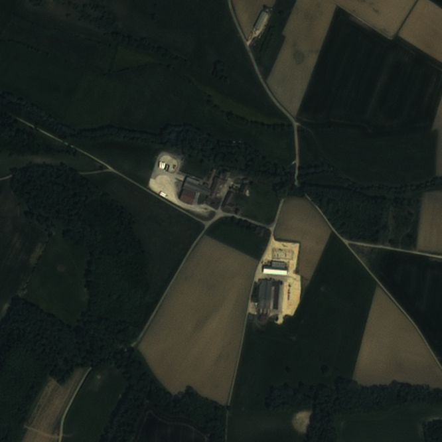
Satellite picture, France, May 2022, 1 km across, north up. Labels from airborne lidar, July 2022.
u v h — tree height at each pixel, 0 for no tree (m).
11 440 26
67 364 23
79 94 0
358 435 0
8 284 0
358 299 0
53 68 0
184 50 0
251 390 0
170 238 0
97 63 0
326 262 0
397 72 0
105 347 23
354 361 0
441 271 0
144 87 0
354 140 0
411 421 0
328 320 0
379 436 0
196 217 0
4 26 0
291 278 0
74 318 0
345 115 0
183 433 0
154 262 0
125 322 20
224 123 0
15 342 23
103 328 23
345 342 0
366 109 0
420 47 0
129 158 0
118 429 26
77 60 0
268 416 0
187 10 0
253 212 0
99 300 13
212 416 16
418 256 0
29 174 19
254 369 0
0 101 34
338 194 25
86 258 0
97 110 0
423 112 0
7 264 0
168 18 0
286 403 25
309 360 0
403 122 0
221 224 0
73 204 22
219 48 0
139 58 0
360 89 0
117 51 0
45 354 24
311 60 0
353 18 0
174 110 0
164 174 0
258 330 0
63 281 0
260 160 17
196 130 14
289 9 0
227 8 0
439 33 0
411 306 0
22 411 21
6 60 0
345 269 0
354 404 23
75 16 0
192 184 0
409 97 0
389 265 0
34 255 0
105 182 0
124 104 0
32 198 25
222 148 23
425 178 0
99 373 0
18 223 0
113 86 0
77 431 0
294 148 0
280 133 0
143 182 0
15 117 29
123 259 18
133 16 0
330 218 20
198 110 0
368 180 0
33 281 0
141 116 0
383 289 0
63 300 0
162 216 0
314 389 15
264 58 0
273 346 0
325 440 20
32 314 29
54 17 0
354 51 0
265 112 0
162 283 0
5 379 24
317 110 0
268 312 0
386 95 0
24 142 25
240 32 0
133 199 0
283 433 0
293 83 0
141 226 0
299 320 0
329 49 0
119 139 19
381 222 24
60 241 0
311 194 20
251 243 0
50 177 23
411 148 0
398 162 0
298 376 0
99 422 0
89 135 15
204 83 0
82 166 0
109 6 0
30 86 0
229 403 0
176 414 13
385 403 25
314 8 0
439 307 0
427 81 0
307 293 0
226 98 0
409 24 0
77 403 0
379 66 0
